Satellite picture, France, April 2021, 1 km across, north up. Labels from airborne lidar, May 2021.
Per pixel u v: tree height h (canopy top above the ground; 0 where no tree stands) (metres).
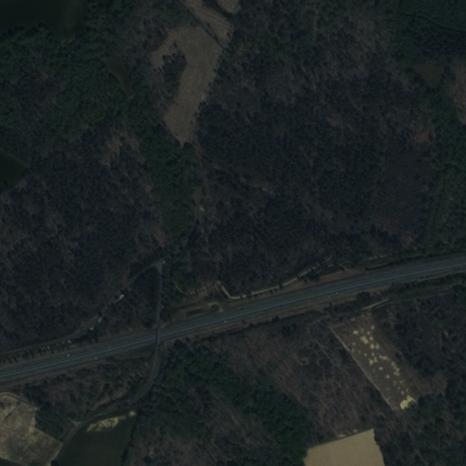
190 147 15
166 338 0
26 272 25
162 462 9
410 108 10
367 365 0
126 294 9
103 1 0
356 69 16
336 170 26
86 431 0
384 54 13
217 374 26
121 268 22
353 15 11
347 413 14
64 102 18
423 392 0
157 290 13
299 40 19
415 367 8
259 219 20
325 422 9
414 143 12
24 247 11
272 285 6
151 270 8
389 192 6
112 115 18
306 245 12
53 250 25
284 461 18
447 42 18
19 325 22
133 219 20
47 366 0
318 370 9
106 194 19
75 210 20
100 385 16
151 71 16
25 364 0
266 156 21
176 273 22
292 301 0
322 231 25
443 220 15
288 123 20
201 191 6
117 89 16
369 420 13
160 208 19
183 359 20
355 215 21
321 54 23
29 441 0
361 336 0
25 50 16
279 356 13
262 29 21
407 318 11
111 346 0
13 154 14
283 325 8
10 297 13
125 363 7
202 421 18
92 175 20
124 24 19
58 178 23
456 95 10
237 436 18
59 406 16
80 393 13
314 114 25
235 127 22
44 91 25
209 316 0
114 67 0
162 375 16
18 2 0
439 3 5
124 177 7
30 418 0
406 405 0
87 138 20
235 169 21
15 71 18
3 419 0
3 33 0
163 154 26
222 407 16
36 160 23
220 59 13
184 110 0
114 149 16
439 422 18
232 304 0
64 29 0
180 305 12
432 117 17
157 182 18
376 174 21
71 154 14
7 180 0
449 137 18
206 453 17
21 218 22
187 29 0
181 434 21
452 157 26
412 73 16
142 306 13
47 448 0
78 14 0
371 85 24
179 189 19
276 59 15
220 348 17
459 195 6
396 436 15
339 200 22
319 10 11
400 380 0
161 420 20
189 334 0
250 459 10
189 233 8
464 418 15
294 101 12
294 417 24
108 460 0
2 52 20
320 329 11
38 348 0
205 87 0
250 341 14
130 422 0
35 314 25
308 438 20
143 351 0
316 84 15
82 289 23
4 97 14
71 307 13
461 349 10
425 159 13
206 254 18
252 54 17
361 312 9
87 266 27
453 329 8
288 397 18
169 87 12
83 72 17
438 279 8
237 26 15
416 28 17
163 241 10
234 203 19
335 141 23
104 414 0
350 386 13
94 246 22
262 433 22
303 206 20
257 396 21
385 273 0
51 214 7
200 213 0
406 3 7
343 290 0
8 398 0
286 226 24
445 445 21
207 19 0
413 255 16
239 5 9
